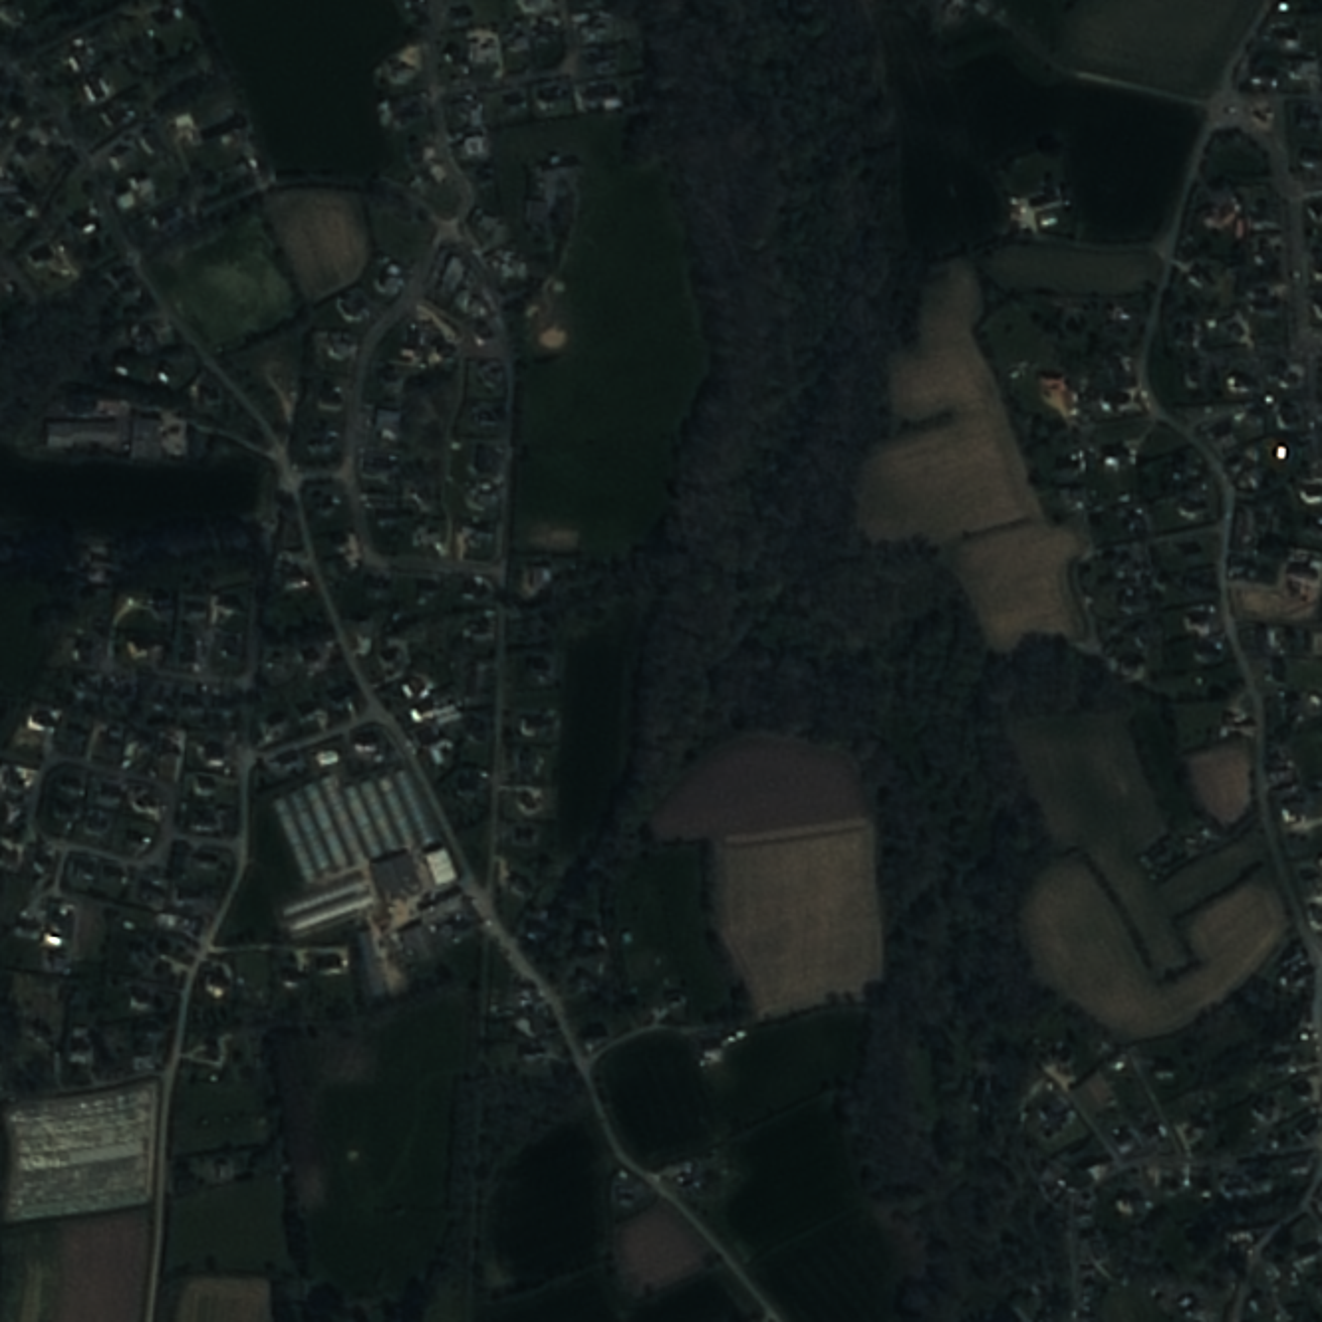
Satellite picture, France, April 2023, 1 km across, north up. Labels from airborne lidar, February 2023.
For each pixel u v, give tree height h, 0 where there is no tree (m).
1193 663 0
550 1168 0
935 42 10
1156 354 0
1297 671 0
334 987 0
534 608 7
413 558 0
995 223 0
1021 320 0
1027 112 0
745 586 16
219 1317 0
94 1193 0
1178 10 0
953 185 0
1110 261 0
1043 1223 9
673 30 28
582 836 0
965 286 0
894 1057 26
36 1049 0
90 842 0
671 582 23
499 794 0
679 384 0
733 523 14
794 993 0
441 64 0
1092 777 0
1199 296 6
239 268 0
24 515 0
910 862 22
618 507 0
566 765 0
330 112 0
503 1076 17
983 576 0
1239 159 0
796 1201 0
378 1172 0
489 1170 7
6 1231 0
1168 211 0
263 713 6
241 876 0
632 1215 0
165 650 12
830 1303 0
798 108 17
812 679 19
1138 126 0
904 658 14
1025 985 16
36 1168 0
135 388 9
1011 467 0
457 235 0
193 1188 13
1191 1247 14
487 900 0
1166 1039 0
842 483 23
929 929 22
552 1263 0
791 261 14
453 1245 6
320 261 0
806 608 17
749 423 20
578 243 0
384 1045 0
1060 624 0
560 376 0
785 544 26
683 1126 0
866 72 21
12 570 20
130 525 0
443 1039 0
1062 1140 0
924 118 0
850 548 16
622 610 0
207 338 0
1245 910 0
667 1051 0
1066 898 0
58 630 8
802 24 28
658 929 0
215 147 0
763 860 0
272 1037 8
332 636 9
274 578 6
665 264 0
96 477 0
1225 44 0
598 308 0
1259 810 11
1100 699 23
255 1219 0
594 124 0
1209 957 0
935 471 0
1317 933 0
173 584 0
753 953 0
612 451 0
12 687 0
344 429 0
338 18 0
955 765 19
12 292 7
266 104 0
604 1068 0
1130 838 0
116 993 0
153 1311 0
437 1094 0
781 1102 0
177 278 0
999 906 21
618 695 0
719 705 15
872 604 17
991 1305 0
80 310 17
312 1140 7
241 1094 0
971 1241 12
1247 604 0
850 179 8
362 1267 0
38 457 0
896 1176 20
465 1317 0
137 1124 0
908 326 9
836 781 0
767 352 28
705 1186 10
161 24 6
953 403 0
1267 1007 13
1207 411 0
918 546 11
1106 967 0
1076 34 0
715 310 24
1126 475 0
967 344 0
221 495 0
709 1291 0
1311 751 0
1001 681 22
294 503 10
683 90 18
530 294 7
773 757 0
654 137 21
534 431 0
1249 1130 0
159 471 0
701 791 0
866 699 22
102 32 10
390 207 12
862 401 26
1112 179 0
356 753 0
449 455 0
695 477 23
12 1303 0
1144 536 12
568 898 19
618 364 0
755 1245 0
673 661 24
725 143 30
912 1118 11
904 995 21
